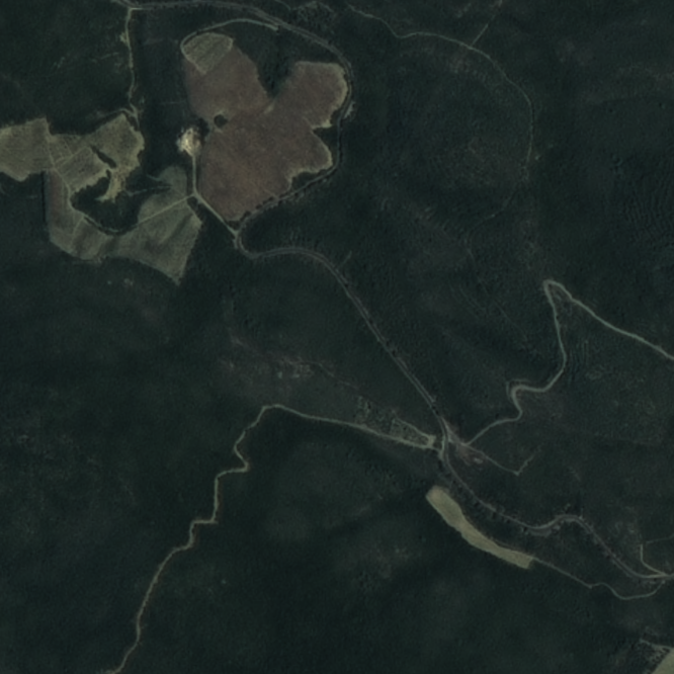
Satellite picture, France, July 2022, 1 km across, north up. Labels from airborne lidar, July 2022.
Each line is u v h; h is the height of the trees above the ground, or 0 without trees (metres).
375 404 0
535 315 7
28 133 0
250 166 0
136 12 7
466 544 6
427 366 6
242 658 7
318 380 0
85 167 0
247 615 5
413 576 7
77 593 5
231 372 0
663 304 5
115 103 7
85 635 7
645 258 6
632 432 6
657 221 8
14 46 6
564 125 6
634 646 8
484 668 6
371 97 6
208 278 9
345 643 9
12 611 6
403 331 7
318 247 10
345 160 9
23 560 6
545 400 0
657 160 6
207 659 7
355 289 7
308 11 7
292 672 7
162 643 6
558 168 7
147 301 5
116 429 7
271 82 12
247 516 5
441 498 0
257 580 8
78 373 6
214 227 6
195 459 6
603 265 6
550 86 6
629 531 0
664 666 0
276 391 0
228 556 6
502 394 0
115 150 0
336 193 8
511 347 8
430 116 7
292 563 7
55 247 0
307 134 0
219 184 0
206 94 0
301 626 9
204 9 6
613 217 6
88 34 7
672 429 5
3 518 7
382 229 7
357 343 6
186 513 7
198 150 0
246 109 0
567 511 8
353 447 7
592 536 10
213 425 6
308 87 0
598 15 8
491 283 7
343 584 5
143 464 6
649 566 0
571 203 8
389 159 8
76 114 6
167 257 0
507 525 8
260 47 0
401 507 7
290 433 6
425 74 6
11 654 5
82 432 5
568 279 7
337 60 6
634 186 9
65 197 0
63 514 6
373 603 7
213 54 0
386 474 14
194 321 7
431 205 7
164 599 6
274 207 7
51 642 7
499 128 6
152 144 9
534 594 8
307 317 0
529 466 6
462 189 6
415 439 0
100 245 0
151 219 0
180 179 0
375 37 6
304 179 7
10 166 0
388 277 8
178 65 0
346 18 6
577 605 8
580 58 0
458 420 6
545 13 6
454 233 7
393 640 7
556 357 10
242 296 6
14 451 6
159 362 7
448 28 5
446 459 0
